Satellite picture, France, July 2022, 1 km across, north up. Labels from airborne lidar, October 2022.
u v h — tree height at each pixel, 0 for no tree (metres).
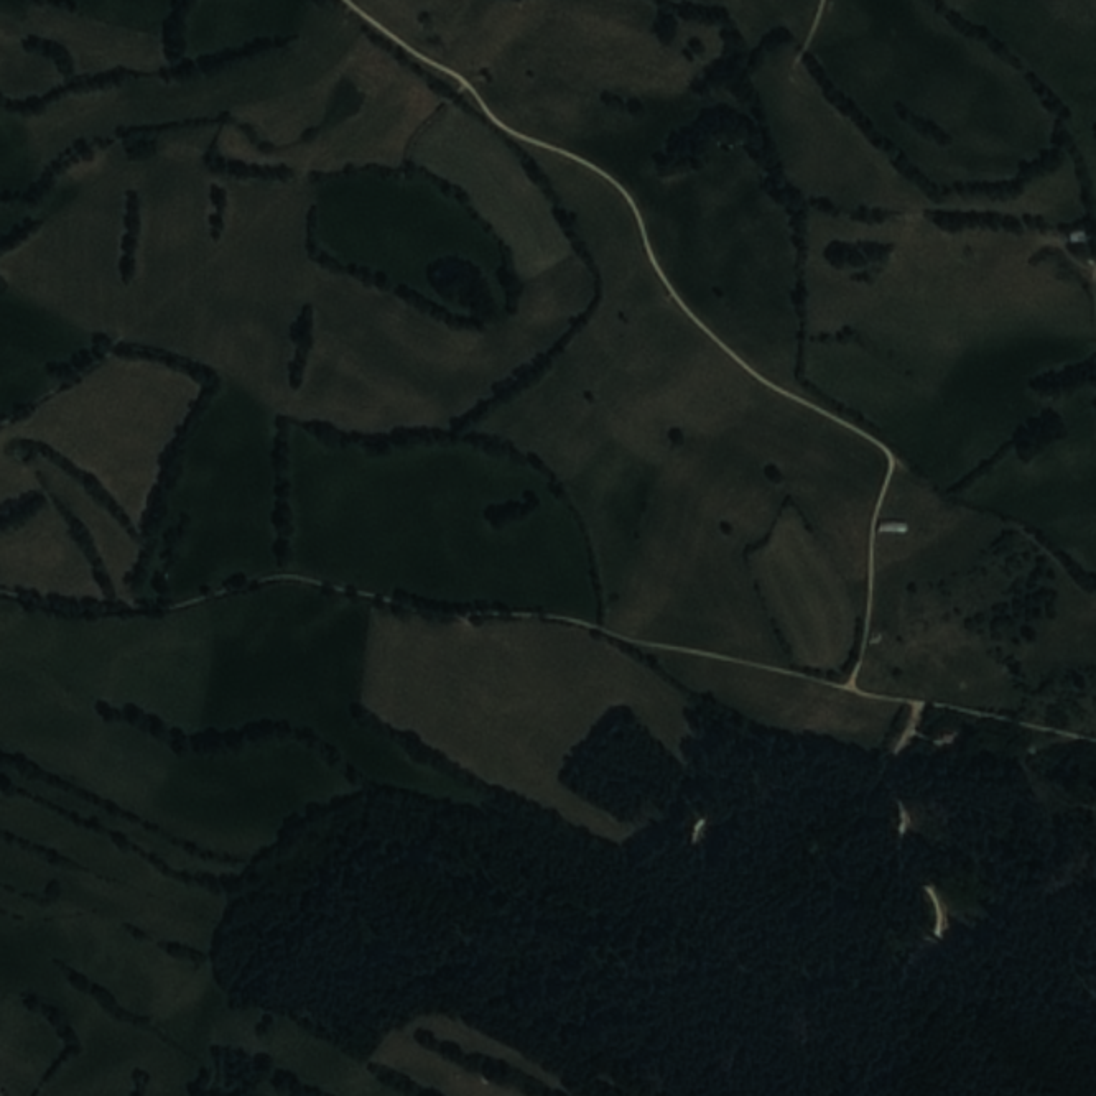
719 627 0
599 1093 22
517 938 25
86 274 0
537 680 0
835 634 0
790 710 0
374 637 0
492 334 0
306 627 0
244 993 16
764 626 0
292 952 24
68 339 0
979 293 0
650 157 0
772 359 0
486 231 7
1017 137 0
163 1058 0
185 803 0
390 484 0
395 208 0
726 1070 33
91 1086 0
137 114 0
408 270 0
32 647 0
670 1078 32
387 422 0
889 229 0
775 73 0
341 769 7
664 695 0
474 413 7
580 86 0
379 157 0
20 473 0
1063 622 0
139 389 0
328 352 0
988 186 10
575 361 0
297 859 9
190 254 0
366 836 16
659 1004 35
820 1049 35
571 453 0
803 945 30
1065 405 0
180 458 7
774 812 33
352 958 24
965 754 15
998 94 0
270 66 0
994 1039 25
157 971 0
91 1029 0
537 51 0
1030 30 0
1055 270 0
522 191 0
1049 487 0
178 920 0
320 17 0
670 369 0
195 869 0
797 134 0
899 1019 29
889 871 31
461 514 0
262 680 0
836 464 0
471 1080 0
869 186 0
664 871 28
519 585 0
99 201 0
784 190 23
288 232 0
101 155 0
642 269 0
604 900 19
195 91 0
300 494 0
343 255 0
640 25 0
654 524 0
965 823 32
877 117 0
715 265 0
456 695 0
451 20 0
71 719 0
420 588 0
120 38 0
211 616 0
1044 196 0
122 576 0
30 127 0
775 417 0
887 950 30
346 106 0
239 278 0
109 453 0
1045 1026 26
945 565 0
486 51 0
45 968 0
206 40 0
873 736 0
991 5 0
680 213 0
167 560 13
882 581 0
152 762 0
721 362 0
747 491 0
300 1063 0
